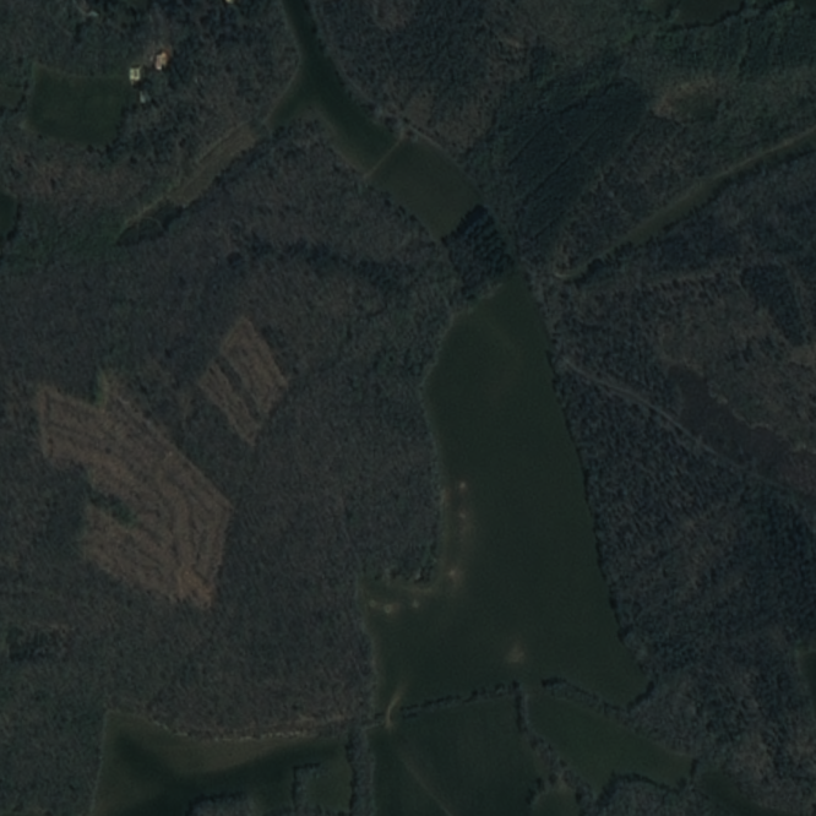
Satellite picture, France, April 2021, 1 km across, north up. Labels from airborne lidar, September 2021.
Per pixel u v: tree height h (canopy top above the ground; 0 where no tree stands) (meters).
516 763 0
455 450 0
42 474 12
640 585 8
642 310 13
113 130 0
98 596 15
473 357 0
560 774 18
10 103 0
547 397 0
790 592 22
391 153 0
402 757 0
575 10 17
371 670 18
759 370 14
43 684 19
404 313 21
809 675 0
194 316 13
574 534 0
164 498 0
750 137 19
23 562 14
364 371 23
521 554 0
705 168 13
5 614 16
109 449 0
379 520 18
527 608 0
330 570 18
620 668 0
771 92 25
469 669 0
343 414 21
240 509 11
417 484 20
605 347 15
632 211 13
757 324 9
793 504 18
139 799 0
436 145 8
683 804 20
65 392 14
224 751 0
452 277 12
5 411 7
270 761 0
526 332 0
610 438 17
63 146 10
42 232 16
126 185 12
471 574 0
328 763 0
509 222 0
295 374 16
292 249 13
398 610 0
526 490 0
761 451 7
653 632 11
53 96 0
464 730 0
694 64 12
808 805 16
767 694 17
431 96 9
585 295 17
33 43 15
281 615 17
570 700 15
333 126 0
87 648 17
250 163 9
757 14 17
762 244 19
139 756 0
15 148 17
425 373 15
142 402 10
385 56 9
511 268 24
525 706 16
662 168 9
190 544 0
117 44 22
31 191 16
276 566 16
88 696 18
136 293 21
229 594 16
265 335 12
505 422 0
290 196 15
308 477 17
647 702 16
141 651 14
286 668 15
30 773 20
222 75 14
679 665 10
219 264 15
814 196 17
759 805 14
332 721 15
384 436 20
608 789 0
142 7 0
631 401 0
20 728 16
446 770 0
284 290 12
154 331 12
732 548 12
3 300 19
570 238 8
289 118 0
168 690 10
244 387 13
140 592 14
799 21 14
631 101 17
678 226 9
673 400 15
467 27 9
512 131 14
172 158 14
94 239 22
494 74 7
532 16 13
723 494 16
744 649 15
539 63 15
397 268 16
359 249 15
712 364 13
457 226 0
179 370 10
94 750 16
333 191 15
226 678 14
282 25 16
